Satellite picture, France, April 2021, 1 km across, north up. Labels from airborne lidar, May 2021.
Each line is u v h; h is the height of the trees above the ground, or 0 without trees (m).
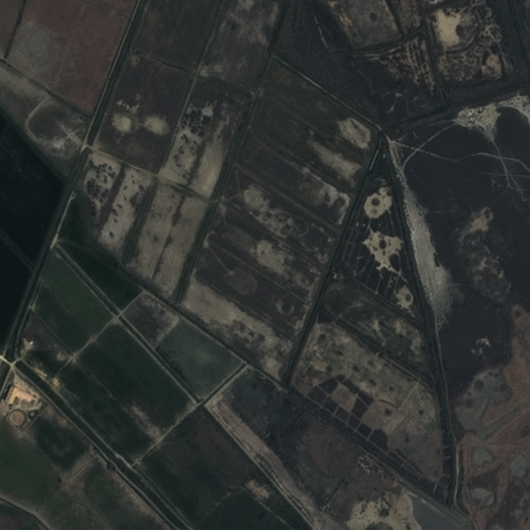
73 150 0
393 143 0
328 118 0
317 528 0
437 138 0
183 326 0
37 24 0
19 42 0
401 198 0
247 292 0
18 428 0
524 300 0
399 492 0
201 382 0
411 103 0
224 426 0
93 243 0
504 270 0
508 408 0
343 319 0
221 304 0
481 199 0
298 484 0
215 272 0
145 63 0
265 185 0
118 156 0
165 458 0
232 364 0
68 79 0
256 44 0
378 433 0
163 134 0
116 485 0
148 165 0
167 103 0
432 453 0
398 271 0
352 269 0
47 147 0
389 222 0
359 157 0
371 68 0
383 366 0
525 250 0
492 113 0
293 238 0
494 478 0
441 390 6
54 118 0
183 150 0
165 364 0
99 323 0
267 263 0
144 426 0
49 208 0
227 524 0
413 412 0
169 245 0
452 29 0
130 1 0
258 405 0
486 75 0
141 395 0
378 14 0
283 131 0
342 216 0
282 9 0
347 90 0
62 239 0
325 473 0
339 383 0
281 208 0
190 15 0
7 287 0
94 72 0
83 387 0
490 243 0
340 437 0
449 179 0
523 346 0
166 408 0
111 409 0
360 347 0
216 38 0
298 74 0
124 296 0
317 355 0
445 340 0
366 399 0
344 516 0
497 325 0
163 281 0
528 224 0
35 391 0
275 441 0
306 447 0
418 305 0
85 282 0
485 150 0
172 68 0
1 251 0
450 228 0
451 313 0
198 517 0
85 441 0
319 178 0
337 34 0
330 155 0
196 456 0
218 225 0
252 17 0
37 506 0
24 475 0
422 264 0
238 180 0
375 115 0
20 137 0
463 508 0
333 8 0
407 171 0
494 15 0
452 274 0
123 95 0
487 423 0
